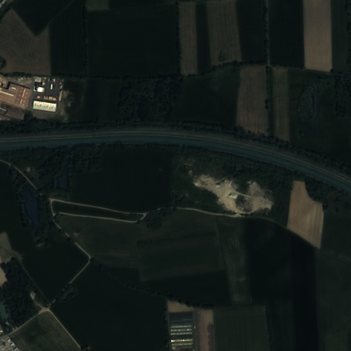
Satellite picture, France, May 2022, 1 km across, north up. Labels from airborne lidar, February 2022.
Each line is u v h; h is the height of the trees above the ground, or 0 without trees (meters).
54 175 12
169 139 0
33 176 0
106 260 0
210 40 0
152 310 0
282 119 0
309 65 0
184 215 0
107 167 0
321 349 0
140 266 0
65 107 0
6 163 0
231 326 0
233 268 0
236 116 0
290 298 0
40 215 10
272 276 0
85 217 0
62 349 0
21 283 18
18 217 0
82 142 0
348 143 0
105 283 0
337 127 0
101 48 0
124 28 0
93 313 0
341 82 9
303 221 0
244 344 0
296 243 0
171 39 0
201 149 15
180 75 14
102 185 0
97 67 0
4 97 0
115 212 0
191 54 0
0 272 0
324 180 0
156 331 0
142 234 0
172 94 33
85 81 0
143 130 0
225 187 0
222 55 0
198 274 0
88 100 0
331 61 0
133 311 0
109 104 0
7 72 0
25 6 0
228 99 0
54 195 0
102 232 0
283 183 13
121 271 0
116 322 0
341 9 0
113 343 0
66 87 0
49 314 0
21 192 0
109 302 0
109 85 0
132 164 0
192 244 0
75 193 0
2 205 0
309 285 0
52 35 0
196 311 0
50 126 11
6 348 0
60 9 0
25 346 0
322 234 0
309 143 0
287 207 0
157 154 0
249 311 0
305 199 0
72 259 0
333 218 0
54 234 0
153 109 26
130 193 0
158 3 0
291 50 0
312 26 0
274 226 0
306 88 6
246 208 0
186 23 0
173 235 0
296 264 0
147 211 0
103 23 0
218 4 0
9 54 0
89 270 0
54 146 0
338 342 0
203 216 0
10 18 0
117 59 0
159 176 0
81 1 0
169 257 0
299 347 0
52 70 0
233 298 0
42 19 0
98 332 0
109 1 0
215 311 0
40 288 0
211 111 0
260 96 0
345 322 0
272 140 12
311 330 0
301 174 15
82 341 0
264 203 0
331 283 0
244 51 0
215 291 0
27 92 0
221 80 0
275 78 0
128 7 0
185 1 9
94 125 10
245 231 0
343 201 0
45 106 0
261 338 0
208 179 0
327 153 0
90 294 0
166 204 0
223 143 0
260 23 0
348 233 0
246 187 0
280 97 0
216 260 0
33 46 0
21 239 0
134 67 0
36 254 0
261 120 0
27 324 0
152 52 0
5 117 0
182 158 0
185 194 0
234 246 0
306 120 6
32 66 0
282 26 0
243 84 0
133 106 14
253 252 0
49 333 0
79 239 0
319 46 0
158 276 0
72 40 0
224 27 0
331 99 0
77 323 0
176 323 0
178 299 0
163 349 0
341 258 0
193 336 0
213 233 0
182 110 0
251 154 0
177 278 0
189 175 0
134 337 0
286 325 0
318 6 0
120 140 0
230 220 0
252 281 0
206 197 0
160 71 0
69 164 13
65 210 0
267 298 0
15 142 0
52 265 0
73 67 0
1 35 0
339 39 0
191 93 0
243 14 0
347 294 0
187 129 12
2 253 0
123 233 0
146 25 0
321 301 0
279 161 0
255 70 0
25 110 0
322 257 0
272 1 0
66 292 8
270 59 0
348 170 13
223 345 0
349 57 9
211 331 0
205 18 0
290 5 0
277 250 0
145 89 12
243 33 0
